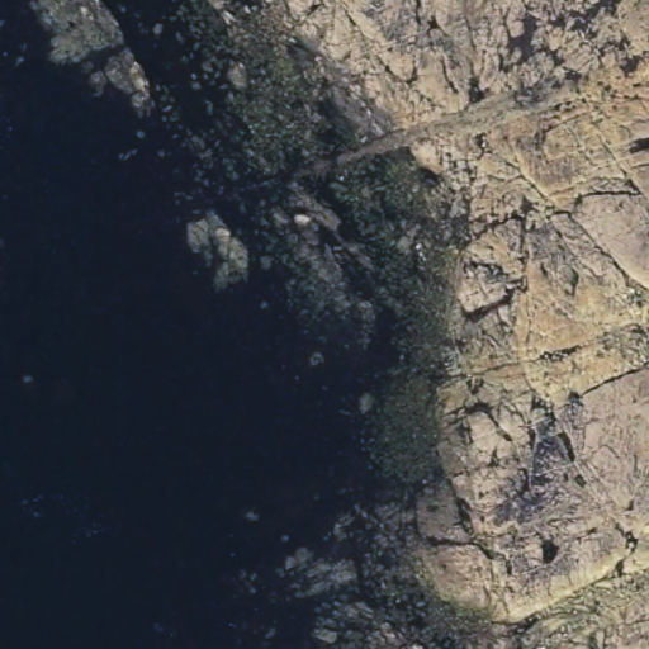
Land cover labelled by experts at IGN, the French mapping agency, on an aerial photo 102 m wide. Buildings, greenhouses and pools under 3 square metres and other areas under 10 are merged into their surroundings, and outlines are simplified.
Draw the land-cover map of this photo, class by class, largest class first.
<instances>
[{"label":"water","instance_id":"1","mask_svg":"<svg viewBox=\"0 0 649 649\"><path fill-rule=\"evenodd\" d=\"M33 0H0V649H365L368 636L383 624H388L398 636H406L413 646L418 644L423 649H466L464 639L482 629L479 608L469 606L466 601L441 598L431 583L421 586L416 581V550L454 548L451 537H434L421 530L418 499L426 487L439 484L446 477L439 456L441 426L436 411V390L449 383L446 350H464L466 345L459 337H449L446 299L456 286L449 284L444 269L451 246H472L469 215H451V203L423 200L428 190L439 188L441 175L428 170L411 152V147L357 157L352 162L337 160L342 152L357 150L355 124L335 104L332 84L327 79H304V68L317 66V51L304 41V35H294L292 30L271 23V5L276 0H104L106 10L119 23L124 38L114 46L81 56L79 61H53V30L30 8Z\"/></svg>","mask_w":649,"mask_h":649},{"label":"bare soil","instance_id":"2","mask_svg":"<svg viewBox=\"0 0 649 649\"><path fill-rule=\"evenodd\" d=\"M30 8L53 30V61H79L81 56L114 46L124 38L119 23L106 10L104 0H33ZM271 23L292 30L294 35H304V41L317 51V66L304 68V79H327L332 84L335 104L355 124L357 150L342 152L337 160L352 162L357 157L411 147V152L428 170L441 175L439 188L428 190L423 200L451 203V215H469L472 246H451L444 269L449 284L456 286L446 299L449 337H459L466 345L464 350H446L449 383L436 390V411L441 426L439 456L446 477L439 484L426 487L418 499L421 530L434 537H451L454 548L416 550V581L421 586L431 583L441 598L466 601L469 606L479 608L482 629L464 639L466 649H649V0H276L271 5ZM365 649H423L418 644L413 646L406 636H398L388 624H383L368 636Z\"/></svg>","mask_w":649,"mask_h":649}]
</instances>
